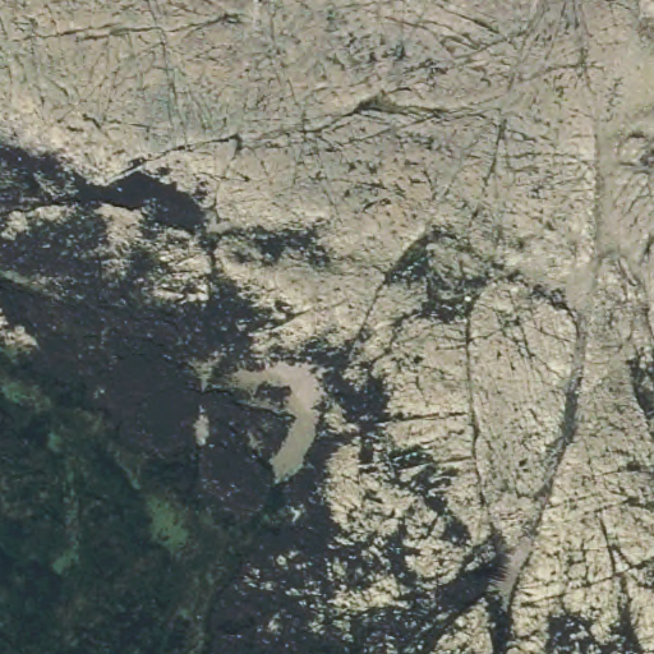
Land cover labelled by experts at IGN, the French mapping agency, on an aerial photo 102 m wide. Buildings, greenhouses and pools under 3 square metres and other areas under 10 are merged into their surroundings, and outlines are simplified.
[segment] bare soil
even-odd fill
[[[156,199],[151,197],[138,209],[123,209],[112,204],[102,204],[100,209],[92,209],[89,204],[66,204],[66,194],[77,194],[74,184],[79,176],[84,176],[89,184],[105,186],[128,174],[151,174],[161,184],[176,184],[179,192],[186,192],[192,202],[202,207],[204,220],[192,232],[179,227],[164,227],[151,215],[151,209],[156,207]],[[327,562],[327,572],[322,577],[307,580],[304,588],[289,588],[286,593],[296,598],[299,608],[309,608],[314,613],[314,621],[309,623],[314,634],[322,634],[322,628],[335,623],[340,628],[340,636],[350,641],[347,654],[654,654],[654,0],[0,0],[0,240],[15,238],[26,227],[38,227],[43,220],[56,220],[69,235],[61,245],[61,255],[102,255],[105,271],[120,276],[125,276],[133,245],[138,245],[151,255],[161,258],[151,273],[138,276],[138,286],[143,289],[143,294],[156,299],[176,299],[184,304],[207,301],[209,291],[232,278],[238,284],[238,296],[250,299],[255,307],[248,319],[238,319],[238,332],[253,337],[253,345],[243,350],[238,363],[230,363],[217,350],[212,350],[207,360],[192,360],[192,368],[197,370],[204,393],[227,393],[230,401],[243,409],[253,406],[268,409],[273,414],[294,414],[294,424],[281,450],[271,460],[276,478],[289,478],[301,470],[301,460],[314,439],[314,424],[319,419],[327,419],[332,432],[345,432],[350,439],[350,445],[340,447],[330,457],[327,503],[332,508],[332,519],[353,534],[335,536],[327,542],[330,549],[337,549],[337,559]],[[350,386],[358,391],[365,386],[365,381],[373,381],[376,376],[386,383],[388,409],[381,416],[360,414],[353,422],[345,422],[342,406],[332,396],[347,391]]]
[[[8,278],[28,289],[41,289],[46,286],[46,276],[23,276],[18,271],[8,271],[0,266],[0,278]]]
[[[5,345],[33,345],[36,340],[23,327],[10,330],[5,317],[0,314],[0,337],[5,340]]]

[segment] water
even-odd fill
[[[197,439],[171,452],[156,452],[130,445],[123,434],[123,419],[115,416],[107,406],[97,406],[92,401],[89,378],[82,373],[79,378],[61,378],[54,368],[38,370],[38,350],[33,345],[5,345],[5,340],[0,337],[0,654],[215,654],[217,636],[258,626],[255,616],[220,621],[212,616],[225,588],[238,577],[243,562],[248,562],[248,557],[258,549],[258,542],[266,534],[281,534],[284,529],[296,531],[299,526],[304,526],[304,511],[294,508],[289,498],[289,478],[276,478],[268,480],[266,501],[253,513],[235,513],[225,508],[220,498],[202,496],[202,445]]]

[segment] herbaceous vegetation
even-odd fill
[[[347,391],[332,396],[342,406],[345,422],[353,422],[360,414],[381,416],[388,409],[386,383],[376,376],[373,381],[365,381],[365,386],[358,391],[350,386]]]
[[[161,184],[151,174],[128,174],[105,186],[89,184],[84,176],[79,176],[74,184],[77,194],[66,194],[66,204],[89,204],[92,209],[100,209],[102,204],[112,204],[123,209],[138,209],[151,197],[156,199],[156,207],[151,209],[151,215],[164,227],[179,227],[192,232],[204,220],[202,207],[192,202],[186,192],[179,192],[176,184]]]
[[[314,613],[309,608],[299,608],[296,598],[286,593],[289,588],[304,588],[307,580],[322,577],[327,572],[327,562],[337,559],[337,549],[330,549],[327,542],[335,536],[353,534],[332,519],[332,508],[327,503],[330,457],[340,447],[350,445],[350,439],[345,432],[332,432],[327,419],[319,419],[314,424],[314,439],[301,460],[301,470],[289,478],[289,498],[294,508],[304,511],[304,526],[299,526],[296,531],[284,529],[281,534],[266,534],[258,542],[258,549],[248,557],[248,562],[243,562],[238,577],[225,588],[212,616],[220,621],[255,616],[258,626],[217,636],[215,654],[347,654],[350,641],[340,636],[340,628],[335,623],[322,628],[322,634],[314,634],[309,623],[314,621]]]
[[[43,220],[38,227],[26,227],[15,238],[0,240],[0,266],[8,271],[18,271],[23,276],[46,276],[46,286],[41,289],[28,289],[8,278],[0,278],[0,314],[5,317],[10,330],[23,327],[36,340],[33,345],[38,350],[38,370],[54,368],[61,378],[79,378],[82,373],[89,378],[92,401],[97,406],[107,406],[115,416],[123,419],[123,434],[130,445],[156,452],[171,452],[197,439],[202,445],[202,496],[220,498],[225,508],[235,513],[253,513],[266,501],[268,480],[276,478],[271,460],[281,450],[294,424],[294,414],[273,414],[268,409],[253,406],[243,409],[230,401],[227,393],[204,393],[197,370],[192,368],[192,360],[207,360],[212,350],[217,350],[230,363],[238,363],[243,350],[253,345],[253,337],[238,332],[238,319],[248,319],[255,307],[250,299],[238,296],[238,284],[232,278],[209,291],[207,301],[184,304],[176,299],[156,299],[143,294],[143,289],[138,286],[138,276],[151,273],[161,258],[151,255],[138,245],[133,245],[125,276],[120,276],[105,271],[102,255],[61,255],[61,245],[69,235],[56,220]]]

